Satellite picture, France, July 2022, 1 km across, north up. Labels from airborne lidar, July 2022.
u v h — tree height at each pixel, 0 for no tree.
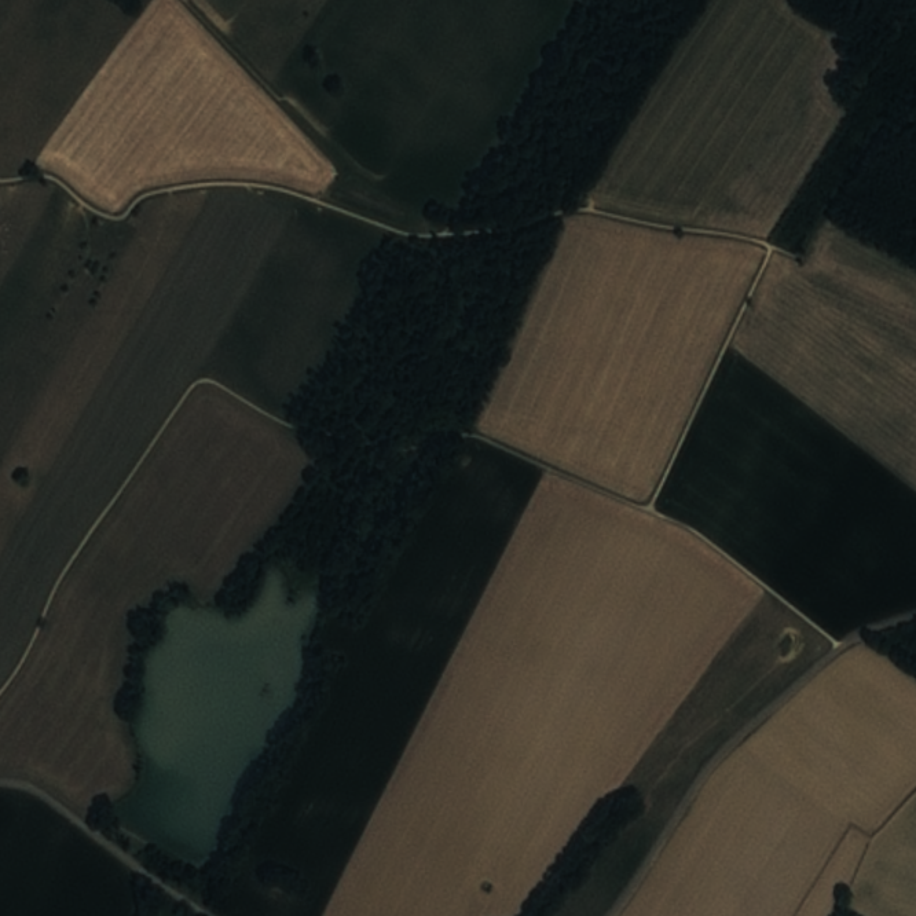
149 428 0
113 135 0
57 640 0
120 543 0
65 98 0
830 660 0
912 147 23
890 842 0
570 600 0
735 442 0
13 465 0
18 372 0
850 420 0
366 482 25
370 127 0
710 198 0
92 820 13
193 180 0
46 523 0
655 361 0
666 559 0
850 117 7
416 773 0
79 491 0
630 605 0
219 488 0
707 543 0
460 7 0
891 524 0
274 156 0
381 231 0
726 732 0
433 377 24
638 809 17
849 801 0
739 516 0
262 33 0
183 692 0
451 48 0
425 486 26
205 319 0
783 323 0
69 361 0
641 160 0
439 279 24
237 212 0
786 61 0
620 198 0
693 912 0
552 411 0
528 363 0
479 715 0
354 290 0
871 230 18
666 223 0
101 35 0
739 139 0
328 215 0
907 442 0
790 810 0
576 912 0
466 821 0
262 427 0
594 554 0
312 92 0
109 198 0
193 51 0
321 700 22
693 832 0
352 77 0
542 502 0
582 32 14
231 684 0
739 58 0
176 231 0
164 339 0
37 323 0
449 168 0
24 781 0
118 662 0
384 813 0
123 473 0
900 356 0
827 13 18
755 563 0
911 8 27
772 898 0
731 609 0
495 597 0
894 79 10
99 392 0
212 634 0
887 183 22
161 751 0
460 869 0
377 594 15
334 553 25
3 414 0
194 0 0
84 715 0
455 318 30
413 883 0
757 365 0
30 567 0
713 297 0
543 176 17
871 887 0
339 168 0
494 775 0
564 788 0
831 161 7
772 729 0
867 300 0
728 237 0
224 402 0
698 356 0
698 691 0
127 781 0
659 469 0
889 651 14
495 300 25
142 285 0
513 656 0
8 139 0
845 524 0
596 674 0
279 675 0
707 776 0
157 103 0
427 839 0
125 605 0
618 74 24
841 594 0
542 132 11
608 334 0
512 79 0
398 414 23
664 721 0
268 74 0
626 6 14
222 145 0
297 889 18
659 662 0
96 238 0
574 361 0
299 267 0
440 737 0
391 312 15
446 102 0
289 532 7
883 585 0
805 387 0
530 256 22
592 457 0
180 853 0
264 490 0
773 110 0
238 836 14
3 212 0
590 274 0
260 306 0
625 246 0
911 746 0
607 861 0
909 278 0
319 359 0
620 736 0
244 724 0
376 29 0
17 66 0
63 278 0
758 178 0
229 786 0
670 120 0
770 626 0
